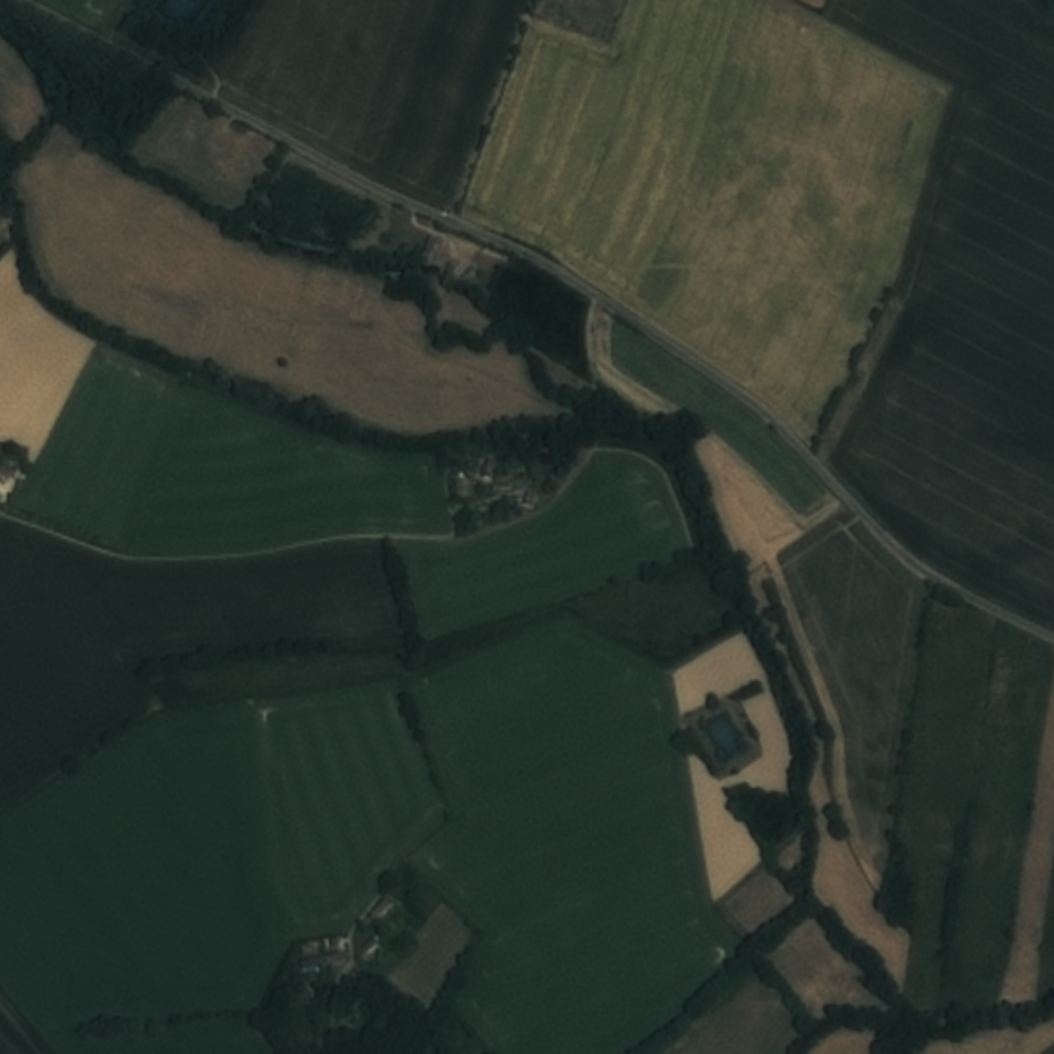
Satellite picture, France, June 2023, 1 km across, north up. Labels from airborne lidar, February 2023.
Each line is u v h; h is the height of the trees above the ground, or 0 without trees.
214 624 0
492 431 12
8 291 0
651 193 0
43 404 0
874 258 0
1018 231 0
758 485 0
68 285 0
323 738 0
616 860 0
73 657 0
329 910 0
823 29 0
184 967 0
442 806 0
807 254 0
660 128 0
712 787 0
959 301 0
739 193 0
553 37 0
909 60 0
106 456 0
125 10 0
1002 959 0
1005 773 0
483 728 0
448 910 0
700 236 0
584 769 0
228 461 0
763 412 0
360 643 0
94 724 0
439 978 0
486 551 0
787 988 10
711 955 0
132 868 0
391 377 0
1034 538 0
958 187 0
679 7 0
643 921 0
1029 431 0
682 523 0
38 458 0
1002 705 0
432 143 0
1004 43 0
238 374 0
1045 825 0
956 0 0
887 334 0
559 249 0
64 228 0
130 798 0
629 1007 0
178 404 0
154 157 0
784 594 0
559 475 13
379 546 0
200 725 0
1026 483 0
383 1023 19
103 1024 15
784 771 0
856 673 0
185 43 26
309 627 0
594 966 0
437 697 0
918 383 0
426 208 0
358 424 12
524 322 8
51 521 6
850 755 0
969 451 0
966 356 0
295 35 0
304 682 0
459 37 0
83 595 0
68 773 14
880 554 0
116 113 14
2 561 0
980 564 0
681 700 0
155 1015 0
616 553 0
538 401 0
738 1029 0
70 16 0
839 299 0
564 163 0
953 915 9
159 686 6
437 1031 21
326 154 0
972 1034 19
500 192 0
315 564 0
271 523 0
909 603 0
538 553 0
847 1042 0
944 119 0
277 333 0
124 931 0
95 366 0
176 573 0
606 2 0
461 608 0
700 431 21
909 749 7
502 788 0
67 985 0
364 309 0
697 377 0
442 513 0
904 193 0
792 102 0
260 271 0
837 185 0
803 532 0
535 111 0
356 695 0
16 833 0
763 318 0
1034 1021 16
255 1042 0
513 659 0
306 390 0
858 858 0
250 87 0
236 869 0
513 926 0
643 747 0
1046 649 0
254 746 0
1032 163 0
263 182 14
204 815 0
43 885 0
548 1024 0
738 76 0
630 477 0
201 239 0
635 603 0
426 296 14
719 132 0
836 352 0
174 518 0
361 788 0
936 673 0
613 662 0
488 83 0
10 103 0
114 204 0
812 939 0
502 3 0
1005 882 0
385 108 0
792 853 0
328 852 0
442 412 0
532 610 0
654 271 0
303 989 11
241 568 0
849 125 0
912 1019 16
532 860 0
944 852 0
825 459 0
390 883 18
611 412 29
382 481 0
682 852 0
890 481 0
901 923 17
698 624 0
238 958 0
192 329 0
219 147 0
